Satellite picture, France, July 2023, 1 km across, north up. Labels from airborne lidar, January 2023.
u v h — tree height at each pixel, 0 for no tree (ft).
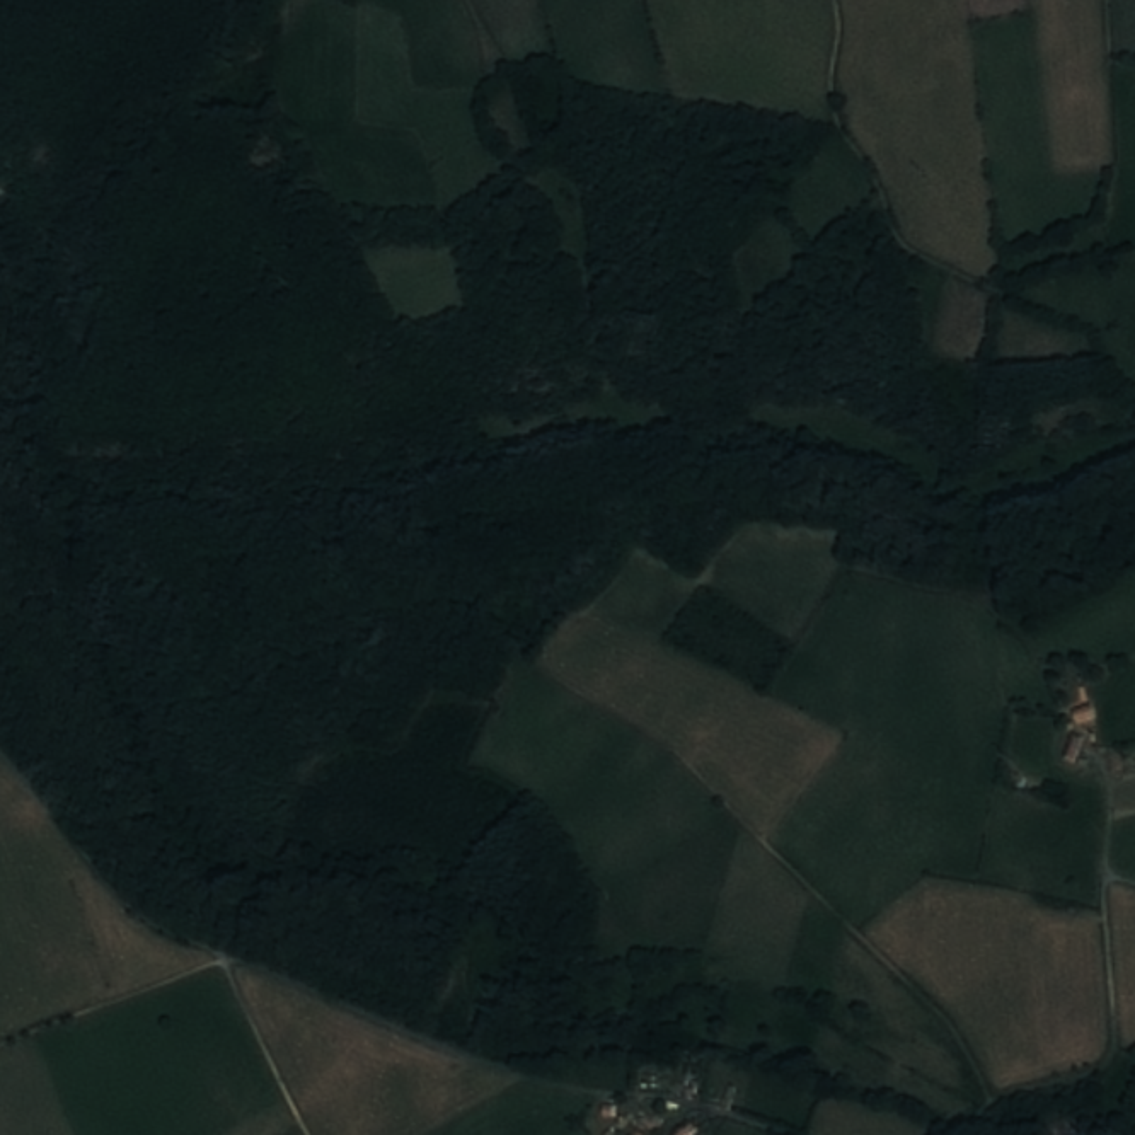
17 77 53
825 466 91
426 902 27
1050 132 0
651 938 0
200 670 55
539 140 59
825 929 0
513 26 0
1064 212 0
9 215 62
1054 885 0
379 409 45
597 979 21
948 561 86
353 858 57
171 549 64
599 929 32
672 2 0
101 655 71
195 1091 0
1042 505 116
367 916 74
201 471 61
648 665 0
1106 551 78
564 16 0
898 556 67
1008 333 0
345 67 0
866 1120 0
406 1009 24
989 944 0
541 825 64
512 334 66
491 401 48
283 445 43
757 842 0
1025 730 0
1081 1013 0
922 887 0
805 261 59
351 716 42
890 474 90
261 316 64
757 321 48
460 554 71
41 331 92
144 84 74
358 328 53
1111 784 0
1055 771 0
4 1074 0
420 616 56
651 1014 30
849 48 0
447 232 45
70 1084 0
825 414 0
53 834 0
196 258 60
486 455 64
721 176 73
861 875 0
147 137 54
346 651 58
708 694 0
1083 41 0
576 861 40
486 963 0
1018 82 0
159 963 0
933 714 0
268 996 0
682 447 76
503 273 72
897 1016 0
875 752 0
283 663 29
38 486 92
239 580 39
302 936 87
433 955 79
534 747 0
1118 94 0
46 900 0
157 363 64
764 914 0
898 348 42
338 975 57
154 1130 0
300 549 91
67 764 56
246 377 58
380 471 76
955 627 0
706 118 52
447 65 0
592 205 48
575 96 53
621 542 46
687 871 0
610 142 53
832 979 0
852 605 0
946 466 30
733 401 53
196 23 61
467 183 0
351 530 67
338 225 54
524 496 59
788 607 0
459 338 69
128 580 42
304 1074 0
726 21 0
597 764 0
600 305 65
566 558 38
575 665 0
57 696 66
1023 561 99
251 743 44
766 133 69
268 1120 0
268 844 78
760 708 0
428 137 0
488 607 72
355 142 0
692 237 70
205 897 86
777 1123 29
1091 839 0
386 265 0
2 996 0
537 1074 48
